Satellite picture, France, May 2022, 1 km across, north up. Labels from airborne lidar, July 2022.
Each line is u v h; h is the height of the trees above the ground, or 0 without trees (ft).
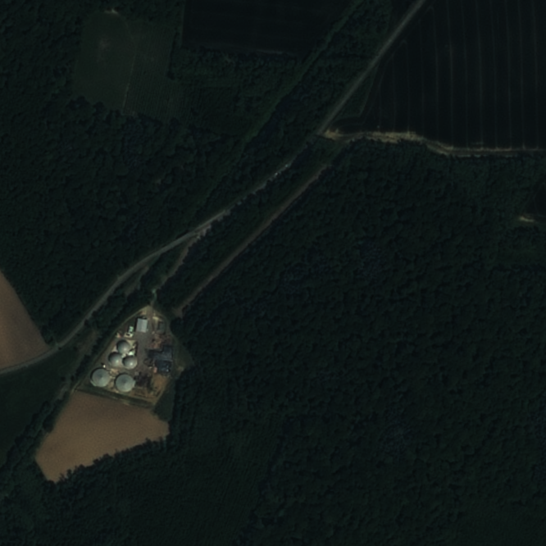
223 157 54
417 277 34
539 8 0
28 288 62
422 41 0
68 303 84
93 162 82
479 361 92
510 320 90
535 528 51
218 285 63
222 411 69
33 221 59
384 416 79
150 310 0
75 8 94
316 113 73
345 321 106
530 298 92
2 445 0
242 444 52
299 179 65
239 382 76
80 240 105
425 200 96
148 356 0
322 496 91
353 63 91
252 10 0
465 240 95
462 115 0
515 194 83
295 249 94
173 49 32
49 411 43
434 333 61
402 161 94
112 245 90
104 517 84
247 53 0
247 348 83
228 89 49
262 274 63
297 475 106
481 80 0
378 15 36
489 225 98
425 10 0
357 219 77
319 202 82
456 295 85
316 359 100
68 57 77
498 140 0
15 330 0
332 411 97
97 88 0
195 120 27
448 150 0
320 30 0
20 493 63
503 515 65
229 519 21
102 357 0
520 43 0
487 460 75
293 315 106
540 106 0
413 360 101
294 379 102
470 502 72
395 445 79
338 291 80
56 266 74
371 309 89
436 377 90
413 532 74
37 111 54
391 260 88
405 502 81
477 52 0
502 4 0
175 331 65
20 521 92
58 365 0
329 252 78
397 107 0
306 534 82
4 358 0
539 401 59
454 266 60
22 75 90
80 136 94
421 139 0
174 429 83
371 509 95
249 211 79
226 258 0
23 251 60
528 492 91
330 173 62
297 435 77
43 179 71
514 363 76
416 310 94
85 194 86
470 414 77
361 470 100
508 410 94
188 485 30
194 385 76
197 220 51
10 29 101
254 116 60
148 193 70
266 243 68
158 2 85
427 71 0
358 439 106
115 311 49
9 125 68
